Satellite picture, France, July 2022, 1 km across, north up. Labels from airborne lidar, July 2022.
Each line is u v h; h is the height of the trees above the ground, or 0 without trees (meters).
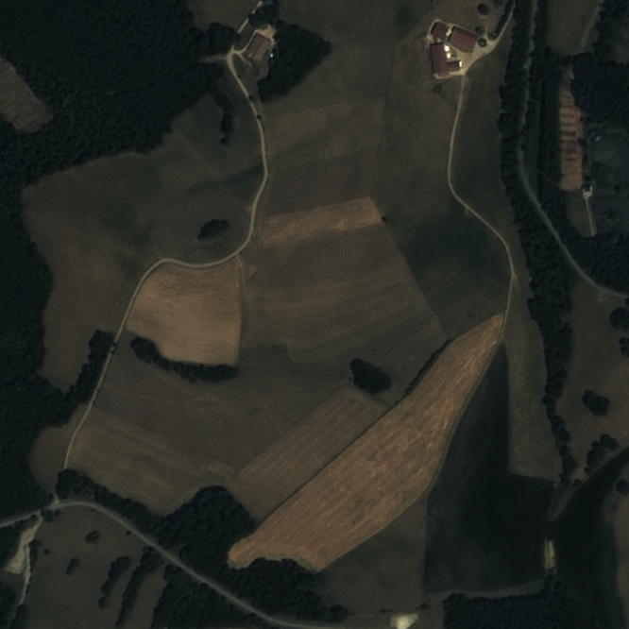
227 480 0
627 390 0
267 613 9
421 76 0
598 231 0
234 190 0
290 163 0
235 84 0
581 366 0
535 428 0
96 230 0
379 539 0
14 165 30
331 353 0
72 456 0
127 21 8
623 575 0
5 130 9
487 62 0
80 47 13
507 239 0
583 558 0
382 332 0
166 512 0
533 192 0
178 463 0
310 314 0
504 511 0
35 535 0
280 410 0
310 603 18
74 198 0
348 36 0
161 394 0
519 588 0
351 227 0
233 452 0
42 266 12
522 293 0
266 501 0
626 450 0
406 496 0
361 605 0
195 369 14
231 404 0
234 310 0
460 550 0
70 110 17
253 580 13
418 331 0
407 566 0
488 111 0
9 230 10
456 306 0
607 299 0
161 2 12
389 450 0
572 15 0
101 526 0
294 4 0
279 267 0
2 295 9
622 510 0
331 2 0
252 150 0
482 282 0
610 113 21
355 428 0
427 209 0
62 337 0
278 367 0
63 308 0
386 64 0
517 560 0
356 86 0
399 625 0
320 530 0
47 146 15
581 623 11
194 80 15
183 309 0
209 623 16
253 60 0
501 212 0
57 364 0
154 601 0
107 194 0
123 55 8
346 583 0
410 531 0
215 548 19
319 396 0
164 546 15
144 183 0
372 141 0
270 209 0
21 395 16
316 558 0
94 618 0
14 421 18
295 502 0
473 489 0
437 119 0
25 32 9
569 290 14
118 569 14
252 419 0
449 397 0
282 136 0
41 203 0
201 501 19
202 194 0
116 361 0
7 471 19
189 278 0
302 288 0
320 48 19
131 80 10
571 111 0
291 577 9
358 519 0
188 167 0
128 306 0
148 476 0
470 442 0
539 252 27
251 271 0
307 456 0
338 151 0
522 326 0
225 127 13
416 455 0
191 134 0
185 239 0
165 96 13
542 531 0
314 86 0
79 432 0
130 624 0
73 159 18
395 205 0
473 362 0
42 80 12
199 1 0
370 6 0
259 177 0
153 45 19
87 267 0
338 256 0
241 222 0
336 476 0
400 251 0
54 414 13
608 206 0
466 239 0
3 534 14
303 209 0
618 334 0
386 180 0
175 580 11
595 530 0
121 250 0
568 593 12
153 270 0
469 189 0
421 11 0
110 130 10
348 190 0
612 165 0
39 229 0
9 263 7
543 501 0
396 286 0
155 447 0
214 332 0
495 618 26
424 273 0
